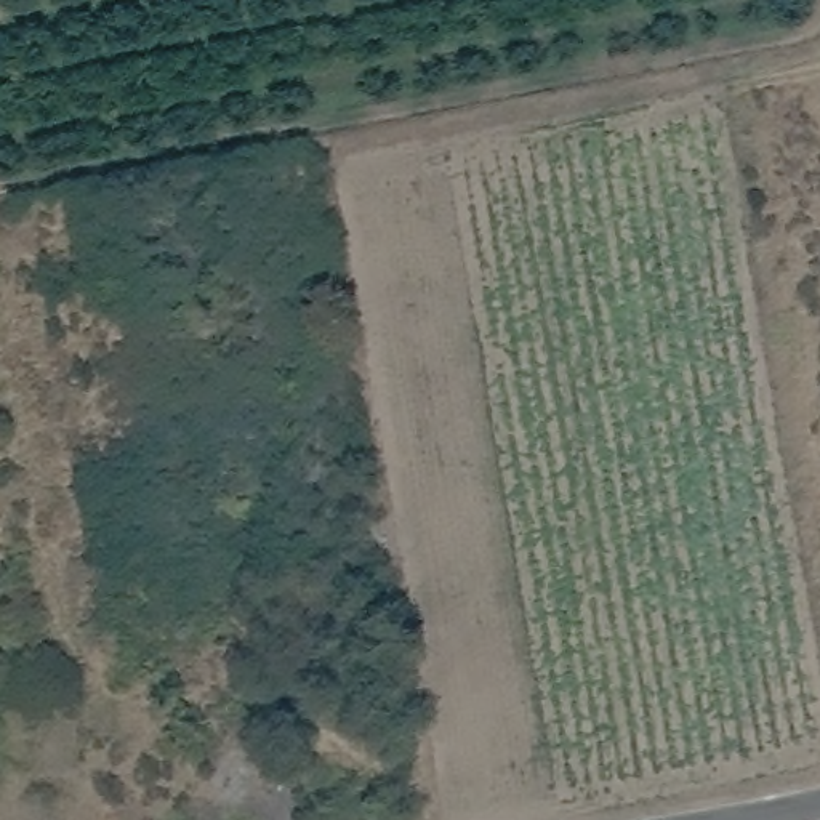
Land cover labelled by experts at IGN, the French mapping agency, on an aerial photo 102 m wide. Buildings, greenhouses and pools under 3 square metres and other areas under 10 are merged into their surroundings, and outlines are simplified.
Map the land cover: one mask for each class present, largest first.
<instances>
[{"label":"agricultural land","instance_id":"1","mask_svg":"<svg viewBox=\"0 0 820 820\"><path fill-rule=\"evenodd\" d=\"M541 131L532 135H506V125H493L484 131H468L439 141L368 147L333 163L336 208L346 224L349 272V279L356 282V301L365 333V349L356 356V368L362 375V394L368 404L375 439L384 468L375 503H381L388 513L381 522L372 525V538L391 551L394 564L400 567V583L420 612L426 644L420 660V689H426L436 698V718L416 743L413 785L426 794V804L413 817V820H669L820 791V663L798 564L785 471L775 445L772 391L766 381L756 301L746 269V234L743 215L750 205L737 160L730 154L727 119L698 93L660 99L650 103L644 112L605 119L602 128L580 125V112H573L557 119H535Z\"/></svg>","mask_w":820,"mask_h":820},{"label":"brushwood","instance_id":"2","mask_svg":"<svg viewBox=\"0 0 820 820\"><path fill-rule=\"evenodd\" d=\"M734 77H714L711 86L698 93L727 119L730 154L737 160L750 205L743 215L746 234L762 240L775 227L778 234L794 231L804 240L810 263L807 275L798 282V298L817 317L820 343V135L814 115L804 109V99H788L785 86H759L750 93H737ZM42 202L64 205L67 250H38L35 263L16 266L26 291H38L45 298V333L51 340H64L58 304L70 295H83L86 311L109 317L122 330V340L106 356H77L70 365L83 388H99V410L106 416V426L96 432L67 436L74 458L70 484L83 519V564L96 570L86 615L93 618L96 631L115 634L109 689L125 692L131 682H144L151 689V708L167 721L154 746L138 762L128 756L122 762L106 759V769L96 772L93 785L112 804L115 820H413V817H394L391 807L378 804L375 798L362 801V788L372 775L330 762L324 753H317L311 756L304 775H295L282 785L279 791L266 788L263 794H250L240 804H215L205 798L176 794L157 782L170 778L173 769L186 759L199 769V775H211L221 743L237 737L247 701L240 689L227 682L224 689L211 692L215 698L205 705L186 698L179 669L186 657H195L205 644H215L218 634H234L243 641L250 628L227 605V589L234 567L240 564V554L253 551V535H243L240 522L250 513L256 493L266 496L272 490V477L282 468L314 484L324 477L327 464H333V455L343 445H362L375 439L368 404L362 394V375L356 368L324 356L320 346L311 343V324L304 320V308H282V298L298 295V285L304 279L317 272H349L346 224L336 208L333 163L330 151L311 135L304 141L295 138L285 144L237 147L221 157L170 160L154 170H128L109 179L99 176L58 183L42 195ZM35 199L29 192L13 195L10 189L0 195V224L22 221ZM13 413L10 407H0V487H6L16 477L19 464L10 461ZM86 682L83 663L70 657L67 647L54 641L48 631V605L45 596L35 589L29 564L16 561L13 554L0 557V785L6 772L32 769L29 759L10 753L6 714L16 711L22 714V721L38 724L51 721L54 711L74 718L83 705Z\"/></svg>","mask_w":820,"mask_h":820},{"label":"deciduous trees","instance_id":"3","mask_svg":"<svg viewBox=\"0 0 820 820\"><path fill-rule=\"evenodd\" d=\"M618 6V0H0V176L16 173L35 160H61L77 154L99 157V151H109L115 160L147 157L163 147L218 141V122L243 125L269 115H301L314 109V86L301 80L304 67L327 64L330 58L384 54L400 48L404 42L423 48L442 42V35L448 32H477L496 26L506 45H464L458 51L420 61V93H439L445 86L529 74L545 61L564 64L583 54V35L577 29L583 13H605ZM650 10V19L637 29H609V54H628L644 48H682V0H637ZM400 74L388 67H368L356 77V90L372 96L375 103H388L397 93ZM282 308H304V320L311 324V343L320 346L324 356L356 368V356L365 349V333L356 301V282L349 279V272H317L304 279L298 285V295L282 298ZM384 468L375 439L362 445H343L333 455V464H327L324 477L314 484L282 468L272 477V490L266 496L256 493L250 513L240 522L243 535H253V551L240 554V564L234 567L227 589V605L250 628L243 641L234 634H218L215 644L227 650V682L240 689L247 701L237 737L247 759L263 772V778L282 785L295 775H304L311 756L317 753V734L336 730L381 759V772L372 775L362 788V801L375 798L378 804L391 807L394 817H413L426 804V794L413 785L416 743L436 718V698L426 689H420V660L426 644L420 612L400 583V567L394 564L391 551L372 538V525L381 522L388 513L381 503H375Z\"/></svg>","mask_w":820,"mask_h":820},{"label":"herbaceous vegetation","instance_id":"4","mask_svg":"<svg viewBox=\"0 0 820 820\"><path fill-rule=\"evenodd\" d=\"M682 48H644L628 54H609V29H637L650 19V10L637 0H618V6L605 13H583L577 29L583 35V54L564 64L545 61L529 74L445 86L439 93H420V61L458 51L464 45H506L496 26L477 32H448L442 35V42L423 48L404 42L400 48L384 54L330 58L327 64L304 67L301 80L314 86V109L301 115H269L243 125L218 122V141L163 147L147 157L115 160L109 151H99V157L77 154L61 160H35L16 173L0 176V195L10 189L13 195L29 192L35 199L22 221L0 224V407H10L13 413L10 461L19 464L16 477L6 487H0V557L13 554L16 561L29 564L35 589L45 596L48 605V631L54 641L67 647L70 657L83 663L86 682L83 705L74 718L54 711L51 721L38 724L22 721V714L16 711L6 714L10 753L29 759L32 769L6 772L0 785V820H115L112 804L93 785L96 772L106 769V759L122 762L128 756L138 762L154 746L167 721L151 708V689L144 682H131L125 692L109 689L115 634L96 631L93 618L86 615L96 570L83 564V519L70 484L74 458L67 436L96 432L106 426V416L99 410V388H83L70 365L77 356H106L122 340V330L109 317L86 311L83 295H70L58 304L64 340H51L45 333V298L38 291H26L16 266L35 263L38 250H67L64 205L42 202V195L58 183L99 176L109 179L128 170H154L170 160L221 157L237 147L285 144L295 138L304 141L311 135L330 151L333 163L368 147L439 141L468 131H484L493 125H506V135H532L541 131L535 119H557L573 112H580V125L602 128L605 119L644 112L650 103L660 99L698 93L711 86L714 77H734L737 93H750L759 86H785L788 99H804V109L814 115L820 135V0H682ZM368 67H388L400 74L397 93L388 103H375L372 96L356 90V77ZM810 263L804 240L794 231L778 234L775 227L762 240L746 234V269L756 301L766 381L772 391L775 445L785 471L798 564L820 663V343L817 317L798 298V282L807 275ZM186 698L205 705L215 698L211 692L224 689L227 682V650L215 644H205L195 657H186L179 669ZM317 753H324L330 762L372 775L381 772V759L336 730L317 734ZM157 782L176 794L205 798L215 804H240L250 794H263L266 788L279 791L282 785L263 778V772L247 759L237 737L221 743L211 775H199V769L186 759L173 769L170 778Z\"/></svg>","mask_w":820,"mask_h":820},{"label":"impervious surface","instance_id":"5","mask_svg":"<svg viewBox=\"0 0 820 820\"><path fill-rule=\"evenodd\" d=\"M669 820H820V791Z\"/></svg>","mask_w":820,"mask_h":820}]
</instances>
